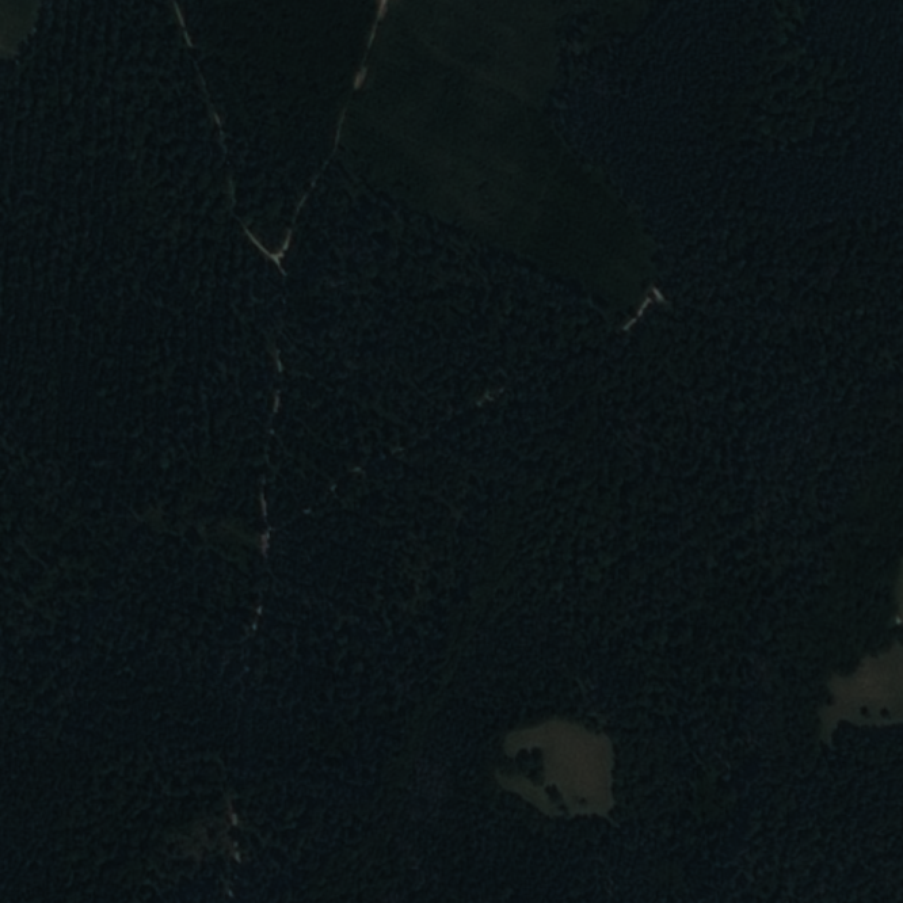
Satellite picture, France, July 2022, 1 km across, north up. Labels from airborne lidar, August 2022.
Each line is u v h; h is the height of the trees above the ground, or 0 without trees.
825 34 23
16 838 22
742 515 26
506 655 14
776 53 33
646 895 24
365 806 27
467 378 23
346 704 26
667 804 9
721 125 26
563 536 20
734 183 29
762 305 32
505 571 18
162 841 13
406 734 20
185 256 15
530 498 18
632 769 16
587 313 27
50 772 21
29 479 21
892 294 28
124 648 12
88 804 15
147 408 12
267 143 11
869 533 23
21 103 11
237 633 29
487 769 16
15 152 9
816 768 30
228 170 19
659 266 22
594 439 26
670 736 25
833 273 27
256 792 23
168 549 17
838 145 33
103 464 8
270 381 30
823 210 30
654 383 19
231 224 12
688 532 30
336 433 8
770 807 25
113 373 14
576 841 22
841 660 27
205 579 19
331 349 18
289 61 9
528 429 27
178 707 21
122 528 18
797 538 26
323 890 20
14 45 0
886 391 30
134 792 21
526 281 33
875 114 27
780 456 29
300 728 25
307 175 11
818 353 24
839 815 36
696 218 26
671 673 11
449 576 27
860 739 25
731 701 13
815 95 32
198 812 9
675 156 27
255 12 14
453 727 16
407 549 17
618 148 32
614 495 23
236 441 17
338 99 13
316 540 18
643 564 22
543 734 0
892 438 19
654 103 30
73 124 20
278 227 15
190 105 7
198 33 21
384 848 19
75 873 19
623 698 29
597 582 26
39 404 16
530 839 16
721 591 13
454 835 15
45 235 7
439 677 20
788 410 31
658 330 18
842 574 24
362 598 15
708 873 20
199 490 20
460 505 24
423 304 22
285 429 15
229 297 24
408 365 28
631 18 24
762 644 6
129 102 20
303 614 16
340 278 33
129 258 24
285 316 26
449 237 15
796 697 31
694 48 32
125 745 29
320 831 34
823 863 19
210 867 17
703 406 24
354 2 13
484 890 24
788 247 32
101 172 19
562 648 16
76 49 9
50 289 14
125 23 7
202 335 16
